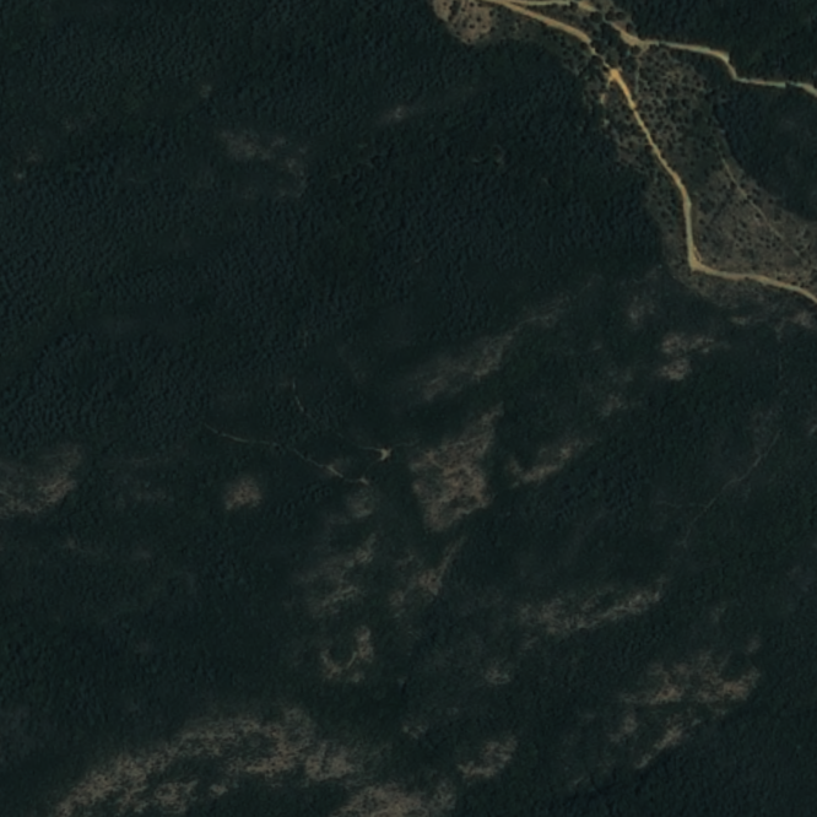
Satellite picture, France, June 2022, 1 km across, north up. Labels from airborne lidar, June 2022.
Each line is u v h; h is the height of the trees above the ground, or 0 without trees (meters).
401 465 6
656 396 12
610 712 6
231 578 15
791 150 8
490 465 8
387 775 5
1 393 8
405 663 6
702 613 7
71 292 11
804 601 11
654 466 7
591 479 11
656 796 17
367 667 7
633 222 16
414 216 18
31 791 6
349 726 9
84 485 11
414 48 7
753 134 17
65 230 11
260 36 10
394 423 5
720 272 0
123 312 6
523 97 7
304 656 7
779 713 9
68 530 11
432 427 5
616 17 8
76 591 11
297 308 8
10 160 8
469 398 5
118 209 11
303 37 7
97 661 13
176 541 10
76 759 5
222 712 5
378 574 9
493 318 6
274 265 15
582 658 7
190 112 7
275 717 7
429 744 10
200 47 16
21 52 9
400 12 11
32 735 7
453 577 6
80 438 7
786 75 6
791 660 7
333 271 12
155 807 6
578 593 6
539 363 7
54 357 14
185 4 5
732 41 13
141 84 12
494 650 7
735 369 7
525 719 11
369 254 14
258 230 13
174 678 6
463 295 13
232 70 10
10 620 19
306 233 13
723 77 9
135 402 14
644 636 8
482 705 6
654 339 6
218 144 6
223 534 7
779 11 12
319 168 7
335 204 11
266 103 14
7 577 9
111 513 8
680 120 7
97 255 14
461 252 6
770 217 0
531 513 8
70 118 11
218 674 8
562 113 12
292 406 10
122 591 6
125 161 12
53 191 13
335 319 15
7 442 7
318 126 12
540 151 10
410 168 10
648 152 8
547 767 12
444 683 7
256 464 7
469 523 6
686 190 0
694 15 18
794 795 6
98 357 6
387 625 12
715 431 7
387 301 6
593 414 8
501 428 8
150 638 8
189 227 10
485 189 16
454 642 7
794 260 0
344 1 15
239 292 14
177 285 14
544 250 8
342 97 7
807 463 7
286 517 9
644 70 7
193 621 9
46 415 16
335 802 8
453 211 15
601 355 6
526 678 8
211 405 12
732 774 6
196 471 9
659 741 7
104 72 13
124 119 10
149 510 6
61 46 14
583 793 17
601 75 10
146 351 8
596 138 12
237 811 15
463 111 9
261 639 6
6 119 7
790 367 6
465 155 17
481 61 9
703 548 7
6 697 11
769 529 11
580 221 16
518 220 11
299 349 14
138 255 7
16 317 14
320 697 9
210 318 7
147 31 12
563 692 13
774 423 6
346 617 11
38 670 9
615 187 11
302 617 6
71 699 6
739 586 8
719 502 6
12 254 14
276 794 8
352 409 5
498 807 19
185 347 12
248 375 10
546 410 9
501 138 15
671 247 0
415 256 15
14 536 6
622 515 12
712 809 13
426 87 14
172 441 14
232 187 11
